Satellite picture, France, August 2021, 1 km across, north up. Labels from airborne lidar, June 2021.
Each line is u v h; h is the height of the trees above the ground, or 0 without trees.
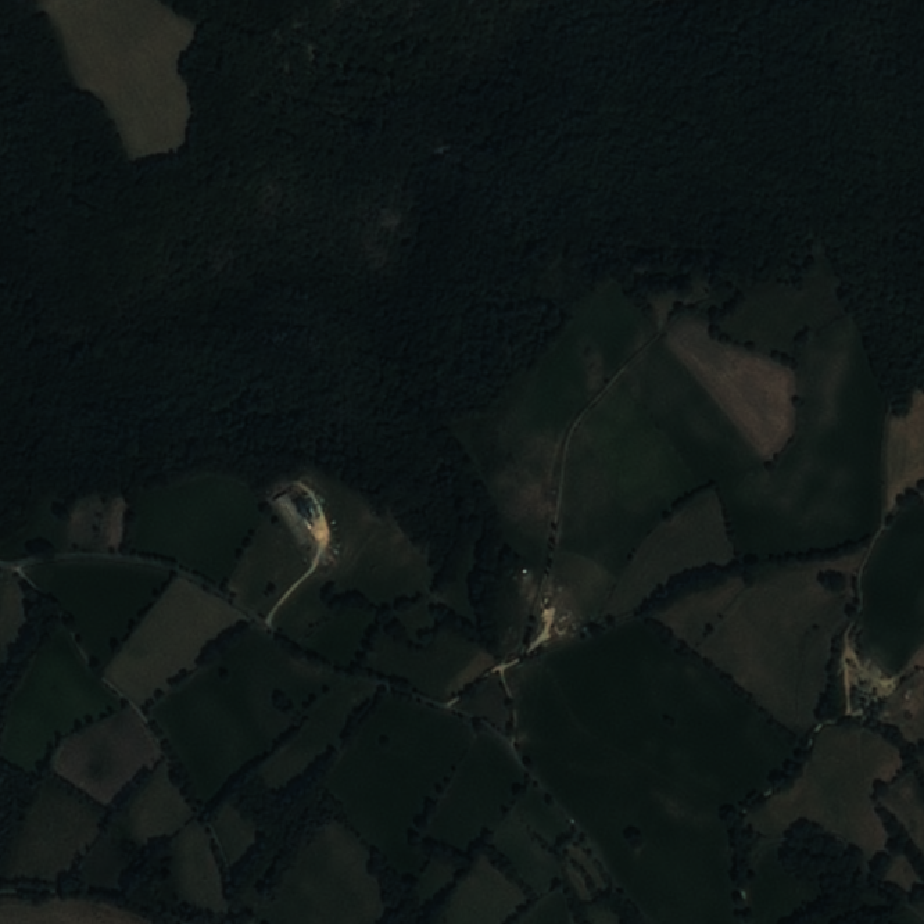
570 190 19
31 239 19
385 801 0
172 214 22
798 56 17
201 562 0
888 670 0
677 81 22
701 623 0
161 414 17
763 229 28
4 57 25
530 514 0
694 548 0
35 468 30
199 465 17
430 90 28
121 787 0
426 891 0
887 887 11
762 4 14
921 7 24
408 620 0
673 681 0
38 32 17
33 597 17
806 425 0
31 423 26
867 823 0
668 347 0
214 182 21
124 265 22
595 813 0
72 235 24
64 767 0
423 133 12
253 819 18
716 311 11
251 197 15
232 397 16
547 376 0
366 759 0
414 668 0
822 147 19
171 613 0
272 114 19
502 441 0
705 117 23
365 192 13
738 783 0
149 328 25
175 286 21
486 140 17
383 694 12
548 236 22
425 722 0
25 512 22
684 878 0
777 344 0
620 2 19
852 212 20
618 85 25
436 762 0
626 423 0
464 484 25
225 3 16
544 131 17
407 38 24
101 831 12
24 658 14
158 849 20
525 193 21
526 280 20
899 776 7
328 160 21
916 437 0
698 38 19
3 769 15
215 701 0
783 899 0
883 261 25
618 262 20
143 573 0
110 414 22
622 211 18
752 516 0
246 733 0
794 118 21
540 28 23
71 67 0
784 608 0
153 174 24
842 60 12
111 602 0
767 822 0
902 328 17
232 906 15
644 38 18
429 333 27
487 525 25
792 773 14
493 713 0
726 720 0
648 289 16
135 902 18
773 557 8
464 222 23
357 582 0
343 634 0
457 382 16
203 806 11
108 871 0
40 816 0
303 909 0
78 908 0
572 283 0
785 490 0
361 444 18
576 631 0
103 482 27
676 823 0
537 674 0
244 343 21
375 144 19
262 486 12
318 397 20
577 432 0
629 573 0
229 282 21
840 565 0
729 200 24
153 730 12
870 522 0
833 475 0
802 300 0
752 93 28
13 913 0
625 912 12
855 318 11
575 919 7
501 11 13
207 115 18
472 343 20
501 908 0
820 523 0
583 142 16
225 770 0
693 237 18
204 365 14
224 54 22
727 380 0
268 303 20
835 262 14
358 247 7
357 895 0
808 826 17
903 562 0
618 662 0
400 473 19
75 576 0
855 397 0
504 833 0
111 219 21
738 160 24
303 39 25
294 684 0
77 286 23
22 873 0
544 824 0
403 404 18
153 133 0
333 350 14
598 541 0
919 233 20
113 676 0
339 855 0
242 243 18
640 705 0
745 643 0
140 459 16
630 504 0
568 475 0
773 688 0
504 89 37
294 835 20
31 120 23
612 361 0
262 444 14
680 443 0
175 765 12
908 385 18
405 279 28
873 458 0
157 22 0
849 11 13
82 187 23
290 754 0
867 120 16
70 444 18
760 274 29
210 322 22
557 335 12
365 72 31
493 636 13
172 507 0
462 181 20
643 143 21
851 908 24
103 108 18
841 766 0
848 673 0
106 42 0
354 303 23
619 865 0
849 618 13
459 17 12
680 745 0
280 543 0
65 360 27
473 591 18
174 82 0
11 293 28
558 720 0
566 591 0
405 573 0
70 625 14
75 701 0
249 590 0
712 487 9
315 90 22
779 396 0
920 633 0
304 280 24
